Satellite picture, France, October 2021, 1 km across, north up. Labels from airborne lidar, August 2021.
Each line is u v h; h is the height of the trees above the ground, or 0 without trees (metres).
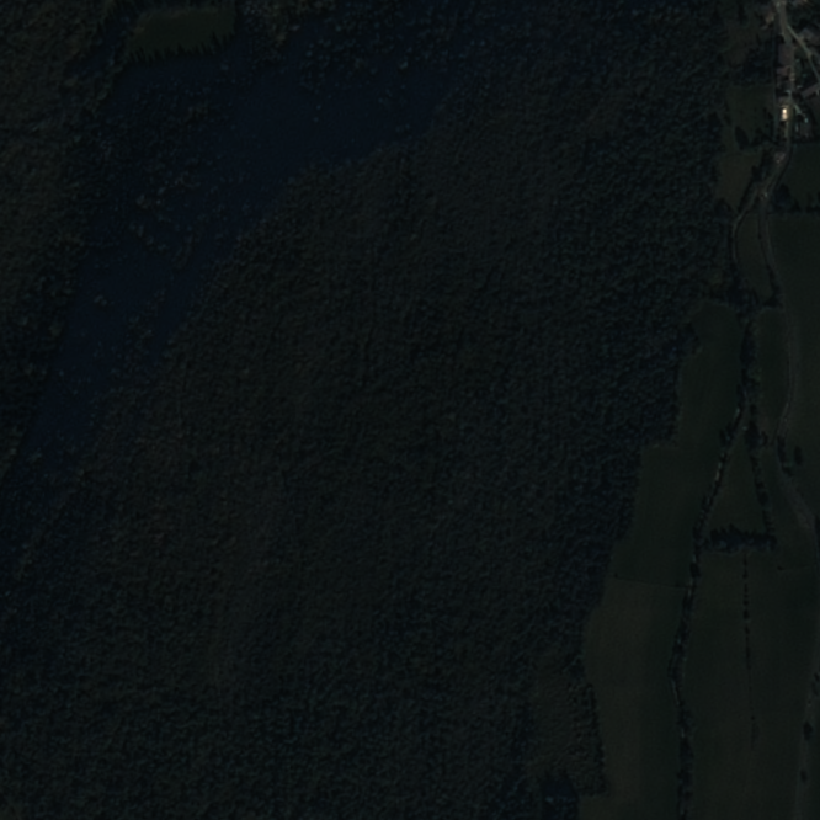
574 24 24
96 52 0
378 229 6
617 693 0
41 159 14
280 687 16
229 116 15
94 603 11
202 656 13
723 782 0
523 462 10
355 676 11
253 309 7
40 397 33
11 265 15
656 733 0
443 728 8
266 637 11
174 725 15
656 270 20
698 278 21
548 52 7
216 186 21
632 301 21
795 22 7
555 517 6
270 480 6
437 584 12
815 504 0
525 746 14
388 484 11
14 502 26
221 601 10
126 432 8
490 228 6
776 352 0
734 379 0
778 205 12
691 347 21
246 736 16
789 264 0
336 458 14
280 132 11
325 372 6
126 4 0
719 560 0
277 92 21
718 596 0
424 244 7
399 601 12
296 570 13
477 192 9
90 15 23
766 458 0
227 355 12
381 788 8
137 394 11
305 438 13
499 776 14
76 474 18
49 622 16
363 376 12
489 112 13
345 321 10
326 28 25
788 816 0
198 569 11
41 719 8
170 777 15
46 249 20
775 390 0
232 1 13
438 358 18
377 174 8
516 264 7
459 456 7
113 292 22
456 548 9
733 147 0
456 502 10
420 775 9
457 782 9
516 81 5
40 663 14
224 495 12
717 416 0
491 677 11
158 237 21
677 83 13
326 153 18
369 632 10
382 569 11
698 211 17
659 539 0
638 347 14
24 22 20
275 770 19
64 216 20
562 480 7
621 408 23
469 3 23
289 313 13
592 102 13
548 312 9
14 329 26
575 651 15
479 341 17
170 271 19
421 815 12
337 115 19
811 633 0
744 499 0
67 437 26
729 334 0
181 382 8
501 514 7
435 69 17
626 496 19
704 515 10
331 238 6
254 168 12
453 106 7
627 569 0
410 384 16
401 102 24
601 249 6
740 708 0
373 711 9
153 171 20
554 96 9
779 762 0
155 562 12
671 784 0
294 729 23
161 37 0
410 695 5
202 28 0
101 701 10
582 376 10
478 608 8
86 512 12
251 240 8
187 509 13
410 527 9
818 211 6
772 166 19
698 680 0
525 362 12
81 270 25
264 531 8
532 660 12
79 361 22
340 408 12
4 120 24
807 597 0
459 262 13
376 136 11
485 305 15
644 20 14
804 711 0
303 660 10
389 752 6
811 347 0
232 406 10
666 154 7
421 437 15
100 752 16
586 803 0
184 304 13
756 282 0
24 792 12
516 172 9
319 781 12
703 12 15
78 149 26
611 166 21
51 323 32
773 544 15
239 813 16
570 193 9
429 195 8
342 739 13
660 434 23
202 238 15
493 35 7
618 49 15
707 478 0
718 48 19
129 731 10
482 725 9
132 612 15
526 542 7
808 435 0
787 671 0
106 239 32
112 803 22
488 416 7
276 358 10
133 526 14
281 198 5
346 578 8
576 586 24
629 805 0
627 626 0
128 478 8
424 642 23
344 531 8
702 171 10
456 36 15
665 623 0
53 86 24
